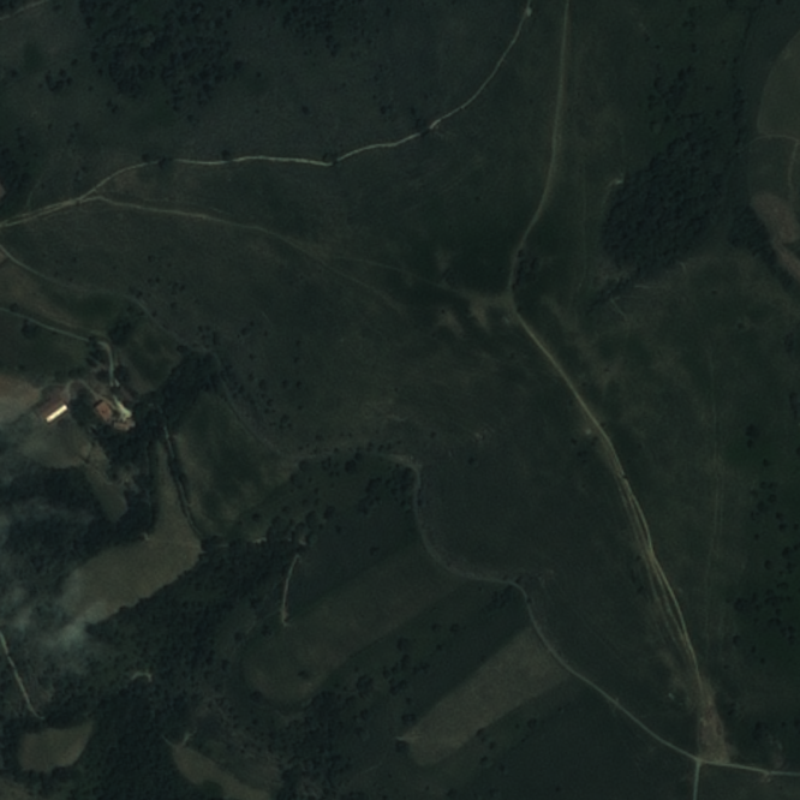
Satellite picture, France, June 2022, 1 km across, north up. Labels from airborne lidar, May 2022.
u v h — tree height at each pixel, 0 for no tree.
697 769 0
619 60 0
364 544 0
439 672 0
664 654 0
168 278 0
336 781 13
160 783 9
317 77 0
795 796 0
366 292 0
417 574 0
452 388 0
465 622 0
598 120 0
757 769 0
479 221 0
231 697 0
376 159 0
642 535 0
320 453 7
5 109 0
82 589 0
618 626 0
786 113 0
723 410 0
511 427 0
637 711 0
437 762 0
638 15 0
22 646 7
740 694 0
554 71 0
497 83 0
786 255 0
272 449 0
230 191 0
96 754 17
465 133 0
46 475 15
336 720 14
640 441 0
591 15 0
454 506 0
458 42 0
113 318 0
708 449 0
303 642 0
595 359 0
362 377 0
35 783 12
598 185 0
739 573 0
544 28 0
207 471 0
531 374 0
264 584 10
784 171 0
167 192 0
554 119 0
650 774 0
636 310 0
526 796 0
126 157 0
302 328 0
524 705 0
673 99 15
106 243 0
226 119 0
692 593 0
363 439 0
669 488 0
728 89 0
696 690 0
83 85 0
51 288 0
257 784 0
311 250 0
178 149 0
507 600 8
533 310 0
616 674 0
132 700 18
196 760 0
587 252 0
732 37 0
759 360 0
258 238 0
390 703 0
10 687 7
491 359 0
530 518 0
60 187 0
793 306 0
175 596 10
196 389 11
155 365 0
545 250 0
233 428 0
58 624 0
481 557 0
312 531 15
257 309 0
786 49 0
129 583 0
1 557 11
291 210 0
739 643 12
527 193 0
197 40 9
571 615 0
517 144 0
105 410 0
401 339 0
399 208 0
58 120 0
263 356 0
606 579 0
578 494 0
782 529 14
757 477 0
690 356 0
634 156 0
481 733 8
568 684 0
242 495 0
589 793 0
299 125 0
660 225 14
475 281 0
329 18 12
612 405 0
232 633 0
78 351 0
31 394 0
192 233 0
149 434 19
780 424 0
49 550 9
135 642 12
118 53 9
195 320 0
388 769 0
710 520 0
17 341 0
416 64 0
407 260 0
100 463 0
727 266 0
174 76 21
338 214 0
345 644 0
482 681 0
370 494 13
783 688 0
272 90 0
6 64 0
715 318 0
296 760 9
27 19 0
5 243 0
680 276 0
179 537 0
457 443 0
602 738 0
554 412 0
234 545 17
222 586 16
